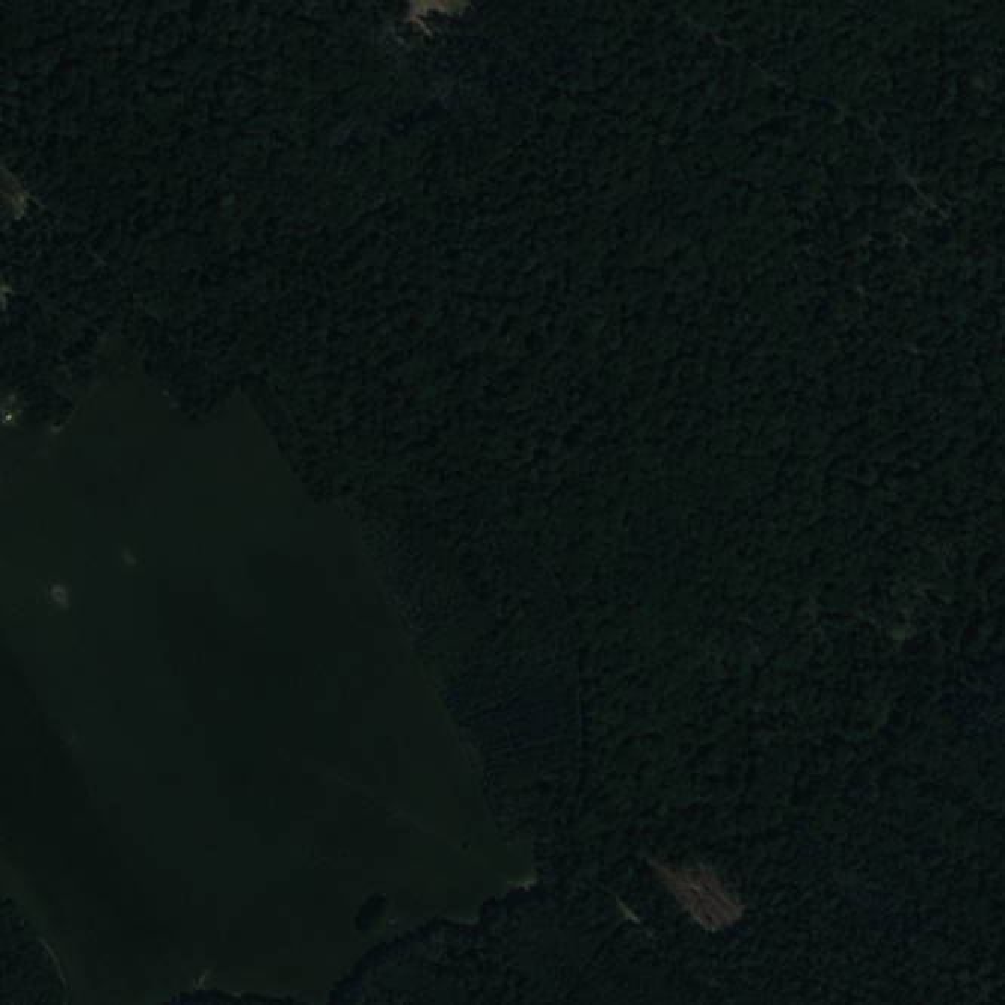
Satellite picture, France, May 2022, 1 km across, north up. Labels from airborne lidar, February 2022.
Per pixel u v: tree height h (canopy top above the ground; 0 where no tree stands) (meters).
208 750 0
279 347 22
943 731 27
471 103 18
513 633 23
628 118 28
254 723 0
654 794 27
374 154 25
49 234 14
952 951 28
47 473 0
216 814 0
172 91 30
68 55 26
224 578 0
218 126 32
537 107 19
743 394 24
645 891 24
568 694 14
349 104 32
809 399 24
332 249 26
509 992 25
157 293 24
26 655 0
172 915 0
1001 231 24
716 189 26
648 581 28
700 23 24
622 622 27
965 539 26
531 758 14
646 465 21
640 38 22
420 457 23
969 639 26
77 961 0
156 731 0
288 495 0
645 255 26
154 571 0
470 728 10
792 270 28
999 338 25
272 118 29
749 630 20
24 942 23
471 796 0
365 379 25
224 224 28
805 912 22
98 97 26
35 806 0
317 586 0
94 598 0
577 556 25
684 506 25
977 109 28
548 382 29
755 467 26
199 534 0
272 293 24
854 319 28
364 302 15
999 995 26
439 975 24
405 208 21
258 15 27
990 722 22
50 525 0
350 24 27
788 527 28
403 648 0
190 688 0
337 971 0
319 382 28
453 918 0
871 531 25
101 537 0
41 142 14
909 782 26
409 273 12
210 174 21
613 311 23
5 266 18
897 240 32
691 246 24
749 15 27
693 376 26
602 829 19
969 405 22
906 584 24
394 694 0
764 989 25
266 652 0
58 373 18
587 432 28
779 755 25
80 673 0
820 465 26
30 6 15
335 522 0
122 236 25
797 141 28
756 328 22
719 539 26
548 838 15
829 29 28
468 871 0
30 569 0
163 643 0
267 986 0
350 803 0
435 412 23
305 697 0
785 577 25
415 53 27
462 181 26
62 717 0
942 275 27
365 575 0
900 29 26
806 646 25
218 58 27
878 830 20
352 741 0
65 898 0
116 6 19
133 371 0
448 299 25
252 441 0
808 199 32
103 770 0
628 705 29
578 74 26
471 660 10
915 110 24
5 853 0
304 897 0
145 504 0
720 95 23
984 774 29
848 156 25
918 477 27
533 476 22
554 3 23
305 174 31
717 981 24
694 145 27
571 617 17
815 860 28
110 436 0
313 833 0
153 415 0
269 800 0
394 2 19
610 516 26
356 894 0
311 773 0
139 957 0
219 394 16
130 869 0
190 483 0
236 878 0
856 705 22
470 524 23
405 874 0
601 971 14
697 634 21
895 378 29
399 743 0
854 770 21
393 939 0
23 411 0
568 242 28
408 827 0
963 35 25
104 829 0
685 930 25
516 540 18
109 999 0
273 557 0
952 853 18
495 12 17
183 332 26
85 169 16
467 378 27
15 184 0
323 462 16
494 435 27
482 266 17
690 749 23
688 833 26
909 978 28
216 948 0
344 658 0
